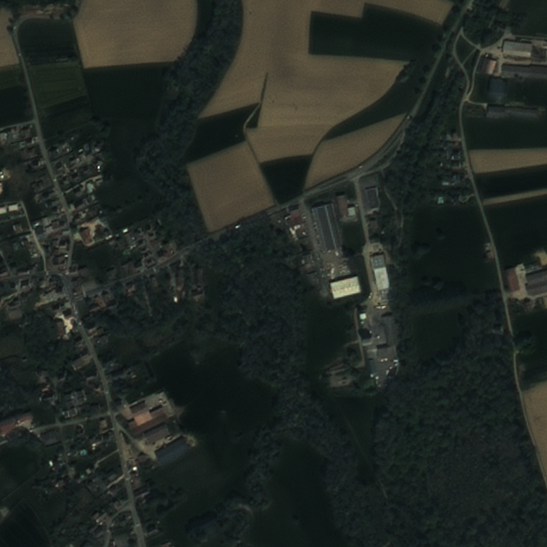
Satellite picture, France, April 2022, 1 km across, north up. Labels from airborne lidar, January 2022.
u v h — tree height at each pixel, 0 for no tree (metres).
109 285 0
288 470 0
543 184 0
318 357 0
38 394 18
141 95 0
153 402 0
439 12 0
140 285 13
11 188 0
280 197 0
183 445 0
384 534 0
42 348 7
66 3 0
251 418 0
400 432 28
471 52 0
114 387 12
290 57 0
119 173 0
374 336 0
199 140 0
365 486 24
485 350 26
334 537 0
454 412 32
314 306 0
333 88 0
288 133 0
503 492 24
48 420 0
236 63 0
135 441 0
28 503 0
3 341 0
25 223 0
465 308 0
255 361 33
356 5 0
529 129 0
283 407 25
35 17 0
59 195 0
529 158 0
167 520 0
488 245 0
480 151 0
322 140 0
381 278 0
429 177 14
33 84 0
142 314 13
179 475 0
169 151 24
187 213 22
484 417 29
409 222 14
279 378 16
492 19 13
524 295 0
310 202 0
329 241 0
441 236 15
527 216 0
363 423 0
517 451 24
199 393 0
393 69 0
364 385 0
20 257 0
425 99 0
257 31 0
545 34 0
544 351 0
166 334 0
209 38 25
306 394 22
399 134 0
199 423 0
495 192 0
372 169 0
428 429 28
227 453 0
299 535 0
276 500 0
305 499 0
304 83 0
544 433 0
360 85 0
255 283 30
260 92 0
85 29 0
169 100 0
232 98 0
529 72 0
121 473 0
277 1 0
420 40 0
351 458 25
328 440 25
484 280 0
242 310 22
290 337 29
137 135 0
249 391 0
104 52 0
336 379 0
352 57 0
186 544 0
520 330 0
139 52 0
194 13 0
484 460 25
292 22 0
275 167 0
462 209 0
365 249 0
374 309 0
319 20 0
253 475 16
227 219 0
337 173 0
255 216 0
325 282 0
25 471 0
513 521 36
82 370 9
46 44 0
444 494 29
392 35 0
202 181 0
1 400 23
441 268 0
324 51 0
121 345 0
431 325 0
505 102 0
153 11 0
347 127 0
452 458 24
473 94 0
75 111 0
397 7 0
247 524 17
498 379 31
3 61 0
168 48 0
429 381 27
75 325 17
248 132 0
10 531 0
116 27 0
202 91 25
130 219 0
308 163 0
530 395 0
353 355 17
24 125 0
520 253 0
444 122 17
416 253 20
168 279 11
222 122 0
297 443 0
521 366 0
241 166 0
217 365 0
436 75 0
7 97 0
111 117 0
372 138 0
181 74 21
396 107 0
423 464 31
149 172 26
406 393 28
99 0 0
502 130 0
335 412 0
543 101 0
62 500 0
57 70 0
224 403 0
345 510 26
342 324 0
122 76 0
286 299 26
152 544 0
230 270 26
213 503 0
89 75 0
